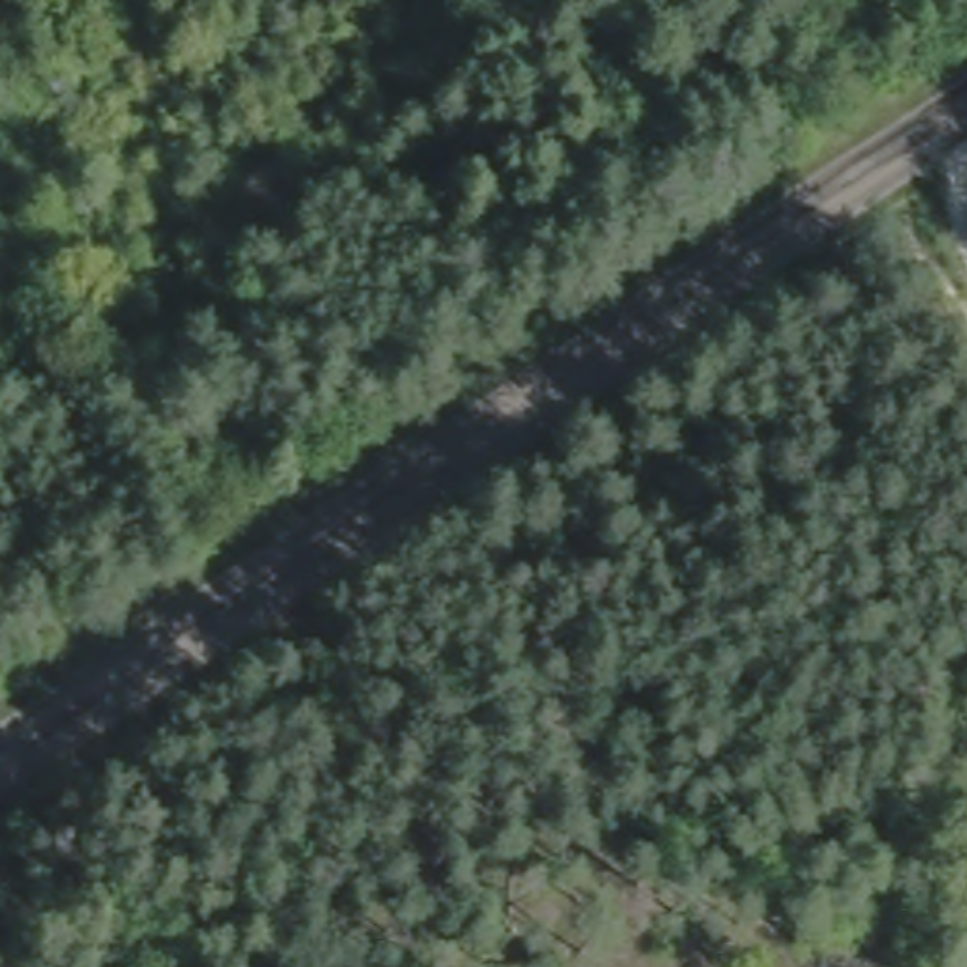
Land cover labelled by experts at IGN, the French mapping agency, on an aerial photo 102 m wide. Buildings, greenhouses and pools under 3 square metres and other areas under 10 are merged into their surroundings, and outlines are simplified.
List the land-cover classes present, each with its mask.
<instances>
[{"label":"coniferous trees","instance_id":"1","mask_svg":"<svg viewBox=\"0 0 967 967\"><path fill-rule=\"evenodd\" d=\"M925 0H0V215L23 212L42 193L49 174L60 189H79L68 204L72 227L57 234V264L64 272V295H83V287H91L94 302L106 314V325L113 329L110 355L91 363L87 370L60 374L49 363H42L38 374L19 378L0 348V695L8 691L11 669L57 657L72 631H121L128 604L147 597L155 585L200 578L223 540H230L253 514L272 506L276 499L295 495L302 480L298 446L287 442V431L302 427L310 416L317 419L336 400L348 404L355 397H382L397 423L434 419L442 404H450L461 393V370L468 359L480 363L491 351L510 355L514 348H525V317L529 310H536V302L551 306L555 317L567 321L585 314L597 298H616L623 272L650 268L653 257L672 249V242H695L710 223L729 219L740 200H748L778 174L771 166V155L774 128L786 117V110L778 106V87H786L789 68H808L823 34L831 30H846L854 53H873L876 42L891 30L918 23ZM959 147L967 151V125L944 132V140L914 162L910 185L914 193L907 208L922 246L937 242L944 230V162ZM839 249L846 257L842 272L823 276V291L816 298H782L774 332H755L740 317L733 321L725 344L703 348L691 382L669 385L661 374L638 382L631 404L638 412V423L646 427L616 434L608 416H597L589 404H582L578 419L570 423V457L533 465L540 487L536 499H521L517 480L506 468L495 484V495H472L465 510L431 517V533L419 544H397L389 563H378L366 570V578L344 585L325 604V612L295 635L280 661L253 657L227 687H204L193 691L185 706H170L159 718V737L136 771L110 763V778L102 782L72 778L60 767L42 774V801H23L8 816V827L26 842L15 857L23 903L19 910L0 914V967H578V959L623 948L642 933L669 937L676 929L684 933V925L695 922L710 929L714 918H733L744 929H763L767 944L801 941L820 944L827 956L857 948L873 967H967V344L952 348L933 336V314L922 310V295L910 287V276L895 272V261L876 242V219L865 212L854 215L839 234ZM665 812L706 827V839L691 850V857H680V869L687 876L684 884L657 876L653 842L665 839V831L657 827L665 823ZM136 857L166 865L174 857H185L181 899L189 929L181 937L151 933L140 941H117V907L110 899L102 907H79L87 888H113L117 880H125Z\"/></svg>","mask_w":967,"mask_h":967},{"label":"impervious surface","instance_id":"2","mask_svg":"<svg viewBox=\"0 0 967 967\"><path fill-rule=\"evenodd\" d=\"M967 125V57L959 64H948L929 83L925 102L914 106L907 117L869 132L861 144L812 170L778 174L748 200H740L729 219L710 223L695 242H672V249L653 257L650 268L623 272L616 298H597L585 314L567 321L555 317L551 306L536 302V310H529L525 317V348H514L510 355L491 351L480 363L468 359L461 370V393L450 404H442L434 419L397 423L385 442L359 450V457L348 468H336L325 480H302L295 495L276 499L272 506L253 514L230 540H223L200 578L155 585L147 597L128 604L121 631H72L57 657L11 669L8 691L0 695V914L19 910L23 903L15 857L26 842L8 827V816L23 801H42V774L60 767L72 778L102 782L110 778V763L136 771L159 737V718L170 706H185L193 691L204 687H227L253 657L280 661L295 635L325 612V604L344 585L366 578V570L378 563H389L397 544H419L431 533V517L465 510L472 495H495V484L506 468L517 480L521 499H536L540 487L533 465L570 457V423L578 419L582 404H589L597 416H608L616 434L646 427L638 423V412L631 404L638 382L661 374L669 385L691 382L703 348L725 344L733 321L740 317L755 332H774L782 298H816L823 291V276L842 272L846 257L839 249V234L854 215L865 212L873 200L910 185L914 162L944 140V132Z\"/></svg>","mask_w":967,"mask_h":967},{"label":"deciduous trees","instance_id":"3","mask_svg":"<svg viewBox=\"0 0 967 967\"><path fill-rule=\"evenodd\" d=\"M967 57V0H925L918 23L891 30L876 42L873 53H854L846 30H831L823 34L808 68H789L786 87H778V106L786 110V117L774 128L771 155V166L778 174L812 170L861 144L869 132L907 117L914 106L925 102L929 83L948 64H959ZM79 189H60L49 174L42 193L23 212L0 215V348L19 378L38 374L42 363H49L60 374L87 370L91 363L110 355L113 329L106 325V314L94 302L91 287H83V295H64V272L57 264V234L72 227L68 204ZM397 423L382 397H355L348 404L336 400L317 419L310 416L302 427L287 431V442L298 446L302 480H325L336 468H348L359 457V450L385 442ZM657 827L665 831V839L653 842L657 876L684 884L687 876L680 869V857H691V850L706 839V827L665 812V823ZM185 857H174L166 865L136 857L125 880H117L113 888H87L79 907H102L110 899L117 907V941H140L151 933L181 937L189 929L181 899Z\"/></svg>","mask_w":967,"mask_h":967},{"label":"herbaceous vegetation","instance_id":"4","mask_svg":"<svg viewBox=\"0 0 967 967\"><path fill-rule=\"evenodd\" d=\"M914 193L910 185L873 200L865 212L876 219V242L895 261V272L910 276V287L922 295V310L933 314V336L952 348L967 344V249L944 230L937 242L922 246L907 208ZM578 967H873L857 948L827 956L820 944L801 941L767 944L763 929H744L733 918H714L710 929L695 922L684 925V933L676 929L669 937L642 933L623 948L578 959Z\"/></svg>","mask_w":967,"mask_h":967},{"label":"pervious surface","instance_id":"5","mask_svg":"<svg viewBox=\"0 0 967 967\"><path fill-rule=\"evenodd\" d=\"M944 230L967 249V151L959 147L944 162Z\"/></svg>","mask_w":967,"mask_h":967}]
</instances>
